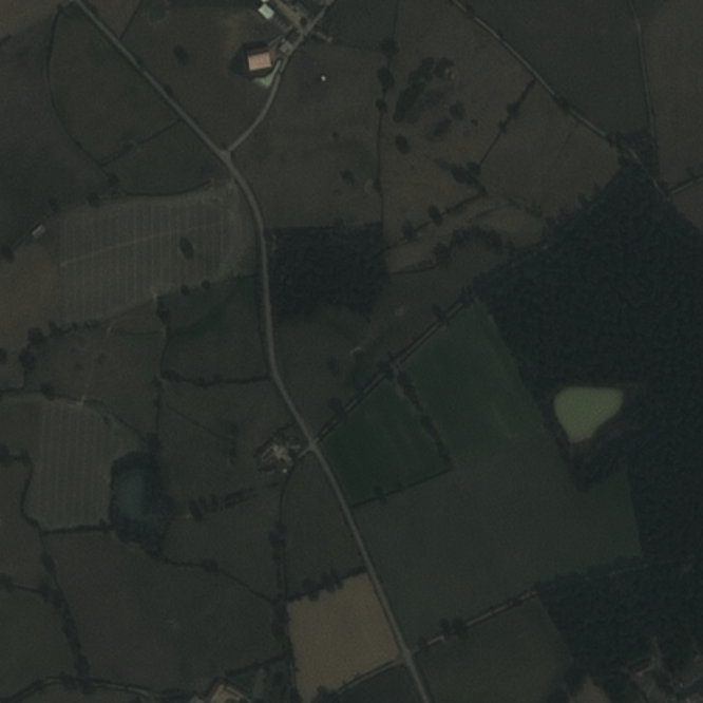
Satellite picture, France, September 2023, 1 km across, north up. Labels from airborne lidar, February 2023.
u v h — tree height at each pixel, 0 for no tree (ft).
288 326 0
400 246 0
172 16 0
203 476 0
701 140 0
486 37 0
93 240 0
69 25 0
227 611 0
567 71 0
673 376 86
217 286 0
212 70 0
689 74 0
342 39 0
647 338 73
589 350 80
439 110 0
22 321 0
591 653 86
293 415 0
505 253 0
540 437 0
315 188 0
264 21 0
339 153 0
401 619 0
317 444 0
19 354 0
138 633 0
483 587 0
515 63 0
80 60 0
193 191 0
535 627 0
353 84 0
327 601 0
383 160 0
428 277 0
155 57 0
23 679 0
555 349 80
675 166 0
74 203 0
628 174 39
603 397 0
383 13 0
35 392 0
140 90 0
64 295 0
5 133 0
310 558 0
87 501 0
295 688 0
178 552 0
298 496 0
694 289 85
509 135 0
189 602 0
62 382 0
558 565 0
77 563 0
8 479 0
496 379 0
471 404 0
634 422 59
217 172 0
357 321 0
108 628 0
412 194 0
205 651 0
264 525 0
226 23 0
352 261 65
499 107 0
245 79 0
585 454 0
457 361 0
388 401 0
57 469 0
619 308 77
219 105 0
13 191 0
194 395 0
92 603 0
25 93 0
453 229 0
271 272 33
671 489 95
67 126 0
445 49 0
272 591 0
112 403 0
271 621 0
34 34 0
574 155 0
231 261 0
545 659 0
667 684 74
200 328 0
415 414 0
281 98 0
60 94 0
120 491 0
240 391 0
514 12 0
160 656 0
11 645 0
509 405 0
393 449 0
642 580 73
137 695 0
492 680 0
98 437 0
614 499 0
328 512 0
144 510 25
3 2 0
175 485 0
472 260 0
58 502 0
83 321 0
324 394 0
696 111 0
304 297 49
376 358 0
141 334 0
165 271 0
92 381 0
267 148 0
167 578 0
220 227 0
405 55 0
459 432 0
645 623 87
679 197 0
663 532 85
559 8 0
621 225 42
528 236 0
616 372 57
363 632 0
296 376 0
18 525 0
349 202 0
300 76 0
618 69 0
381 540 0
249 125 0
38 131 0
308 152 0
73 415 0
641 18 0
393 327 0
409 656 0
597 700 0
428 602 0
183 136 0
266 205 0
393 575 0
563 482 0
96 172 0
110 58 0
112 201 0
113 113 0
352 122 0
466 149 0
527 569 0
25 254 0
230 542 0
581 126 0
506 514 0
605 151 0
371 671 0
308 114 0
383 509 0
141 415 0
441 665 0
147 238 0
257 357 0
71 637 31
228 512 0
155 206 0
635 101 0
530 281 79
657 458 96
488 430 0
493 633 0
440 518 0
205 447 0
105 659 0
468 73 0
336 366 58
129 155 0
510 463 0
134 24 0
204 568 44
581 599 92
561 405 0
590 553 0
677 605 68
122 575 0
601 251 85
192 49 0
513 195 0
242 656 0
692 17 0
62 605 28
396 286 0
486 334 0
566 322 91
